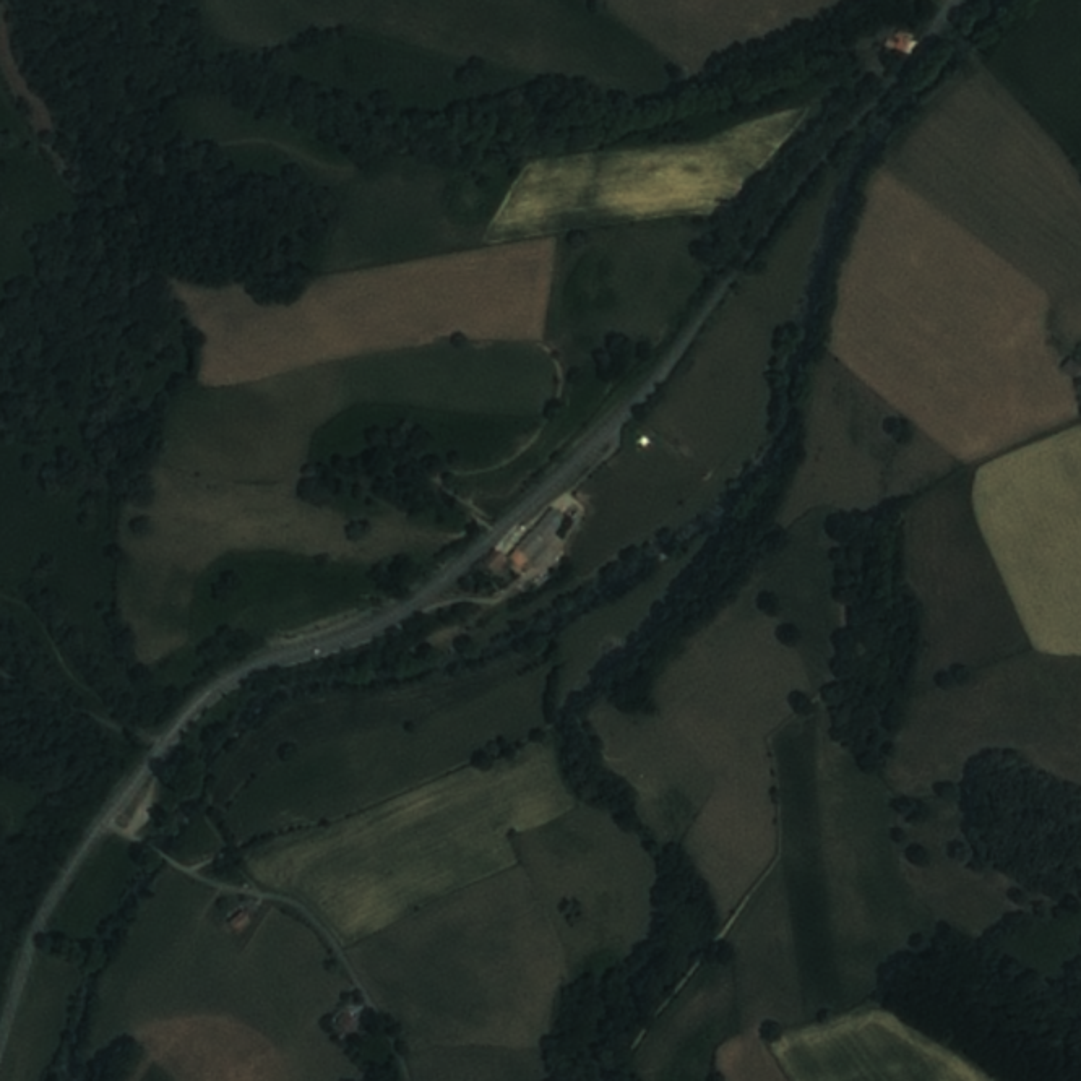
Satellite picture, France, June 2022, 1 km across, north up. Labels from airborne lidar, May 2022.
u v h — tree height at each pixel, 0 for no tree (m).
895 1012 19
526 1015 0
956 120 0
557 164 0
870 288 0
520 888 0
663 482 0
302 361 0
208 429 0
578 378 15
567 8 0
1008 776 19
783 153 12
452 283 0
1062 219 0
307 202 25
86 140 19
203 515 0
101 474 13
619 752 0
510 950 0
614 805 7
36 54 13
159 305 21
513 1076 0
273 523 0
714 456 0
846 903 0
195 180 20
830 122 22
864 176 17
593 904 0
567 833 0
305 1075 0
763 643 0
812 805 0
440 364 0
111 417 10
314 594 0
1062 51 0
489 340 0
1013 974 20
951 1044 16
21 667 13
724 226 22
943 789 19
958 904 0
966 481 0
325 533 0
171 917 0
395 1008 0
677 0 0
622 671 28
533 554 0
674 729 0
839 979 0
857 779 0
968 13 28
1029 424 0
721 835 0
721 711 0
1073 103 0
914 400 0
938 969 18
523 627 13
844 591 18
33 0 26
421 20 0
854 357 0
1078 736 0
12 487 0
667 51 0
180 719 0
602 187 0
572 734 19
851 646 25
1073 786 11
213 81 27
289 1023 0
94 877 0
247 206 23
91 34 21
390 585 13
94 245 16
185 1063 0
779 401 18
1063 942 0
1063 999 26
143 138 27
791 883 0
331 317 0
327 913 0
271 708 13
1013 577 0
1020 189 0
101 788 12
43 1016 0
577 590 8
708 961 12
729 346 0
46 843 19
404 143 14
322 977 0
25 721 21
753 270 16
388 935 0
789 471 17
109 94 32
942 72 14
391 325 0
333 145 17
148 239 15
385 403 0
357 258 0
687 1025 0
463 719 0
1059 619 0
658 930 21
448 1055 0
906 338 0
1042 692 0
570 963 0
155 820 27
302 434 0
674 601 20
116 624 10
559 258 0
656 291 0
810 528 0
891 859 0
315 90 16
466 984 0
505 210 0
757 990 0
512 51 0
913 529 0
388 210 0
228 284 14
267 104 20
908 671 22
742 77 29
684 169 0
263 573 0
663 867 13
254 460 0
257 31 0
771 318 0
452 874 0
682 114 17
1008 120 0
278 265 22
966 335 0
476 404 0
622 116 29
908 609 14
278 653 0
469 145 16
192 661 0
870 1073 0
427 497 10
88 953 31
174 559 0
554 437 0
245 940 0
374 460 24
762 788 0
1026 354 0
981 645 0
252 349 0
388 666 28
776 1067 0
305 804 0
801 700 20
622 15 0
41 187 0
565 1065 21
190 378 10
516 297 0
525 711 0
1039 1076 25
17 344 24
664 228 0
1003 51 0
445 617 17
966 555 0
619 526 0
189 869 0
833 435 0
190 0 26
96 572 0
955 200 0
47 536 0
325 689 8
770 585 0
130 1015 0
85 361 19
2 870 24
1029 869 20
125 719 10
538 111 20
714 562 21
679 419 0
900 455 0
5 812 0
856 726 20
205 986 0
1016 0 29
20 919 17
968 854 17
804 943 0
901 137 0
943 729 0
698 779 0
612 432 0
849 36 20
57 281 20
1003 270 0
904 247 0
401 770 0
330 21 0
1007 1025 21
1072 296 0
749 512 24
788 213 15
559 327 0
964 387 0
